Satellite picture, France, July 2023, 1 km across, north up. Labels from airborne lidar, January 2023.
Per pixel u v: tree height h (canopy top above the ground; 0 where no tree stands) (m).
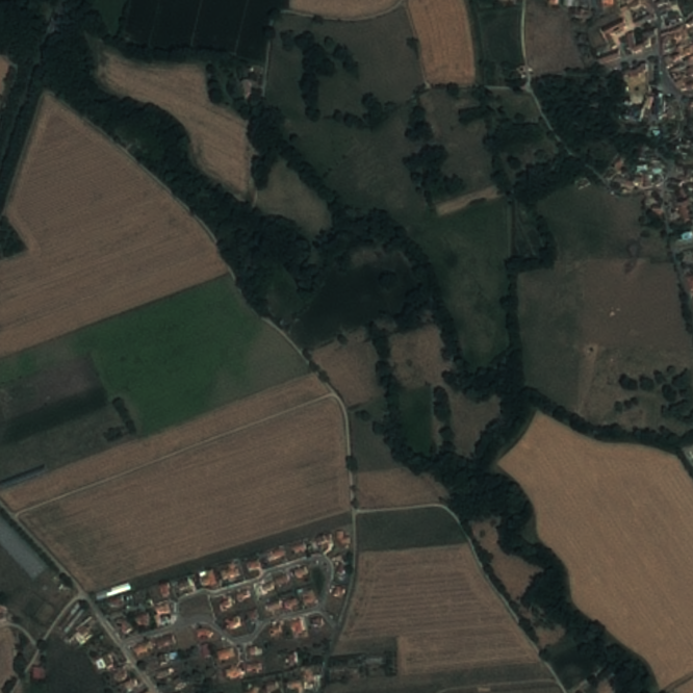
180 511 0
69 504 0
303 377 0
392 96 0
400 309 0
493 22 0
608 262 0
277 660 0
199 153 0
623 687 23
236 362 0
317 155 0
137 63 0
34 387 0
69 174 0
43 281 0
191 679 11
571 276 0
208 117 0
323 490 0
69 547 0
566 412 15
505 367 19
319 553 0
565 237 0
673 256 6
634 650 0
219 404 0
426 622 0
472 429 0
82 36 30
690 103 6
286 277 0
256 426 0
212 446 0
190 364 0
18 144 12
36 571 0
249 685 6
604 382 0
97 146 0
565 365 0
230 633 0
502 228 0
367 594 0
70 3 15
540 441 0
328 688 0
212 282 0
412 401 0
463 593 0
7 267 0
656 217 15
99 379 0
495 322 0
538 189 23
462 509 14
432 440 0
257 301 15
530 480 0
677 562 0
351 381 0
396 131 0
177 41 0
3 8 19
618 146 11
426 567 0
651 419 0
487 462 22
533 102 0
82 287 0
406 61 0
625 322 0
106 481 0
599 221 0
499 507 17
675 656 0
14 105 15
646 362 0
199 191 16
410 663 0
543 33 0
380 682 0
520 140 14
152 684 0
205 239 0
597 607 0
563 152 8
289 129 0
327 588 0
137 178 0
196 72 0
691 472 7
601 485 0
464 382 15
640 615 0
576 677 0
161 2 0
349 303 0
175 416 0
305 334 0
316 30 0
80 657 0
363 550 0
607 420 0
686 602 0
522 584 0
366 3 0
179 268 0
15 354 0
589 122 17
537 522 0
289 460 0
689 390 12
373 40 0
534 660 0
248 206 18
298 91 0
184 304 0
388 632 0
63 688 0
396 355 0
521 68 0
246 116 16
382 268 0
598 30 0
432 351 0
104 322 0
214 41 0
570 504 0
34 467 0
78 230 0
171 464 0
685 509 0
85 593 0
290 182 0
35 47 15
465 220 0
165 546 0
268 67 0
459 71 0
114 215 0
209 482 0
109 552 0
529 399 20
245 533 0
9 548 0
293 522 0
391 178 0
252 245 15
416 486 0
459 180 18
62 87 14
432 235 0
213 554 0
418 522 0
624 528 0
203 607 0
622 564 0
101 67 0
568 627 8
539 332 0
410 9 0
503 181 20
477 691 0
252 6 0
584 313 0
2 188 11
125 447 0
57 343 0
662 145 9
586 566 0
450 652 0
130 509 0
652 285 0
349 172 0
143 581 0
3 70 0
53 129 0
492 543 0
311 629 0
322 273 8
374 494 0
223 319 0
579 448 0
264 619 0
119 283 0
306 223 0
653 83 8
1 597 10
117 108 19
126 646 0
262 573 0
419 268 15
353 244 10
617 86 10
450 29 0
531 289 0
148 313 0
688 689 0
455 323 15
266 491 0
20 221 0
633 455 0
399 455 18
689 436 8
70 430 0
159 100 0
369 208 0
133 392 0
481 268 0
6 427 0
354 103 0
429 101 0
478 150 0
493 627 0
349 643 0
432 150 20
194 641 0
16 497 0
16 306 0
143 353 0
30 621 0
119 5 0
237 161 0
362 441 0
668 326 0
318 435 0
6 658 0
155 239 0
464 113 12
